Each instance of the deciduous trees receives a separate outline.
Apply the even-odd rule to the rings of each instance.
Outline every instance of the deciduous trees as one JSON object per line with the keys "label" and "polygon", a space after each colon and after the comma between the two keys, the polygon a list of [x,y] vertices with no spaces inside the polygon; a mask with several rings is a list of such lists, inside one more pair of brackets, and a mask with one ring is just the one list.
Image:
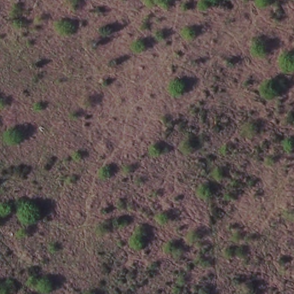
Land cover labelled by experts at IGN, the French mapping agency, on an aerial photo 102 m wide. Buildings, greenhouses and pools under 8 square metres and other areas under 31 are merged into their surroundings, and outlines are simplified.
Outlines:
{"label": "deciduous trees", "polygon": [[278,96],[277,92],[284,87],[284,82],[273,77],[268,82],[263,80],[260,90],[257,88],[254,93],[261,93],[265,100]]}
{"label": "deciduous trees", "polygon": [[294,52],[280,52],[278,56],[278,67],[281,72],[294,71]]}
{"label": "deciduous trees", "polygon": [[51,291],[51,284],[47,279],[30,277],[26,280],[26,285],[41,294],[47,294]]}
{"label": "deciduous trees", "polygon": [[10,146],[14,146],[18,144],[18,142],[20,142],[21,136],[14,129],[8,129],[0,134],[0,139]]}
{"label": "deciduous trees", "polygon": [[15,199],[18,219],[26,225],[33,224],[39,216],[38,209],[20,198]]}

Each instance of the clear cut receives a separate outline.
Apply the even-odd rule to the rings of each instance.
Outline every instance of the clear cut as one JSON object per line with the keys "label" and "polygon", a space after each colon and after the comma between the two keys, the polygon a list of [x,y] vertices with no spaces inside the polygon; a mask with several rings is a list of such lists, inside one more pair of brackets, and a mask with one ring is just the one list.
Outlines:
{"label": "clear cut", "polygon": [[[20,142],[18,142],[18,144],[14,146],[10,146],[0,139],[0,294],[41,294],[26,285],[26,280],[30,277],[47,279],[51,284],[51,291],[47,294],[294,294],[294,71],[281,72],[278,67],[278,56],[280,52],[294,52],[294,0],[0,0],[0,134],[8,129],[14,129],[21,136]],[[260,90],[263,80],[268,82],[273,77],[284,82],[284,87],[277,92],[278,96],[265,100],[261,93],[254,93],[257,88]],[[33,224],[26,225],[18,219],[15,199],[20,198],[38,209],[39,216]]]}

